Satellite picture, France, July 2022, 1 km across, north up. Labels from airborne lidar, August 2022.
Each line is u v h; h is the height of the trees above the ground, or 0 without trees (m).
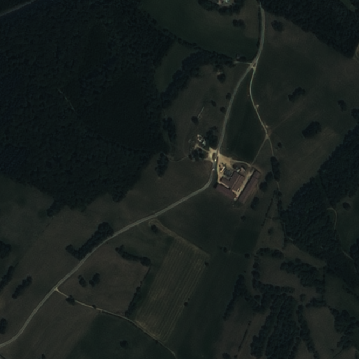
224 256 0
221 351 0
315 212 15
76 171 28
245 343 0
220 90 0
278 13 19
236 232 0
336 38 22
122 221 0
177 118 0
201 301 0
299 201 19
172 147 0
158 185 0
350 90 0
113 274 0
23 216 0
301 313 8
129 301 0
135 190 0
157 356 0
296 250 0
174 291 0
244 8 0
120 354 0
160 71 0
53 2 27
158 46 15
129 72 14
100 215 0
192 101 0
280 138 0
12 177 22
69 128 23
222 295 0
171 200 0
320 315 0
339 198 10
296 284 0
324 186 20
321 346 0
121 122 13
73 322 0
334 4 24
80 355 0
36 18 26
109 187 18
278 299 9
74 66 25
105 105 12
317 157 0
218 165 0
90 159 26
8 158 24
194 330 0
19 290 12
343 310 0
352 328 12
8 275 12
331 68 0
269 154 0
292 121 0
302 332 10
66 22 29
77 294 0
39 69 28
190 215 0
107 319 0
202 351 0
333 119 0
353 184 9
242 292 18
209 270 0
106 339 0
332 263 27
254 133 0
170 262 0
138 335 0
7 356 0
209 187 0
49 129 28
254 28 0
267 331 11
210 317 0
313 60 0
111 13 22
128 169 24
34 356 0
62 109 23
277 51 0
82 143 21
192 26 0
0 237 0
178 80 25
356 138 19
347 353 0
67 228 0
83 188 20
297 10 16
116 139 11
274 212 0
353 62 0
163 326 0
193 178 0
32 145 24
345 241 0
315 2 24
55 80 24
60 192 22
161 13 0
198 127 0
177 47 0
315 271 19
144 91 14
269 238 0
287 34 0
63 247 0
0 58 24
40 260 0
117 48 24
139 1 18
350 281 28
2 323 13
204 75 0
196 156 19
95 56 6
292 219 12
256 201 14
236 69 0
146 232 0
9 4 14
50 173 27
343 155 19
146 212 0
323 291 11
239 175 0
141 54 26
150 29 17
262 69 0
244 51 0
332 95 0
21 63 25
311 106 0
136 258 10
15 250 0
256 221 0
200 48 11
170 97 17
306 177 0
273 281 0
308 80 0
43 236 0
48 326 0
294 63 0
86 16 24
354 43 22
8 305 0
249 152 0
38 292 0
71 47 23
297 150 0
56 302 0
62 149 26
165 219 0
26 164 23
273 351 11
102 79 25
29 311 0
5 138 25
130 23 16
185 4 0
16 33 23
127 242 0
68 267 0
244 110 0
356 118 15
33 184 25
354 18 20
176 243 0
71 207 15
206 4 10
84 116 14
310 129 17
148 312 0
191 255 0
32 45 26
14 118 26
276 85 0
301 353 0
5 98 24
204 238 0
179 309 0
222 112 10
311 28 16
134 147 13
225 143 0
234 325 0
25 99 24
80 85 6
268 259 0
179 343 0
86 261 0
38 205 0
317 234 14
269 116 0
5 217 0
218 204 0
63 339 0
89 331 0
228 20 0
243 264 0
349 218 0
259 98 0
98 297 0
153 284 0
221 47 0
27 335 0
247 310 0
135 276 0
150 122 15
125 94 13
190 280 0
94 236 12
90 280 0
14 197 0
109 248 0
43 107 24
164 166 16
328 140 0
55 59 23
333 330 0
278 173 17
